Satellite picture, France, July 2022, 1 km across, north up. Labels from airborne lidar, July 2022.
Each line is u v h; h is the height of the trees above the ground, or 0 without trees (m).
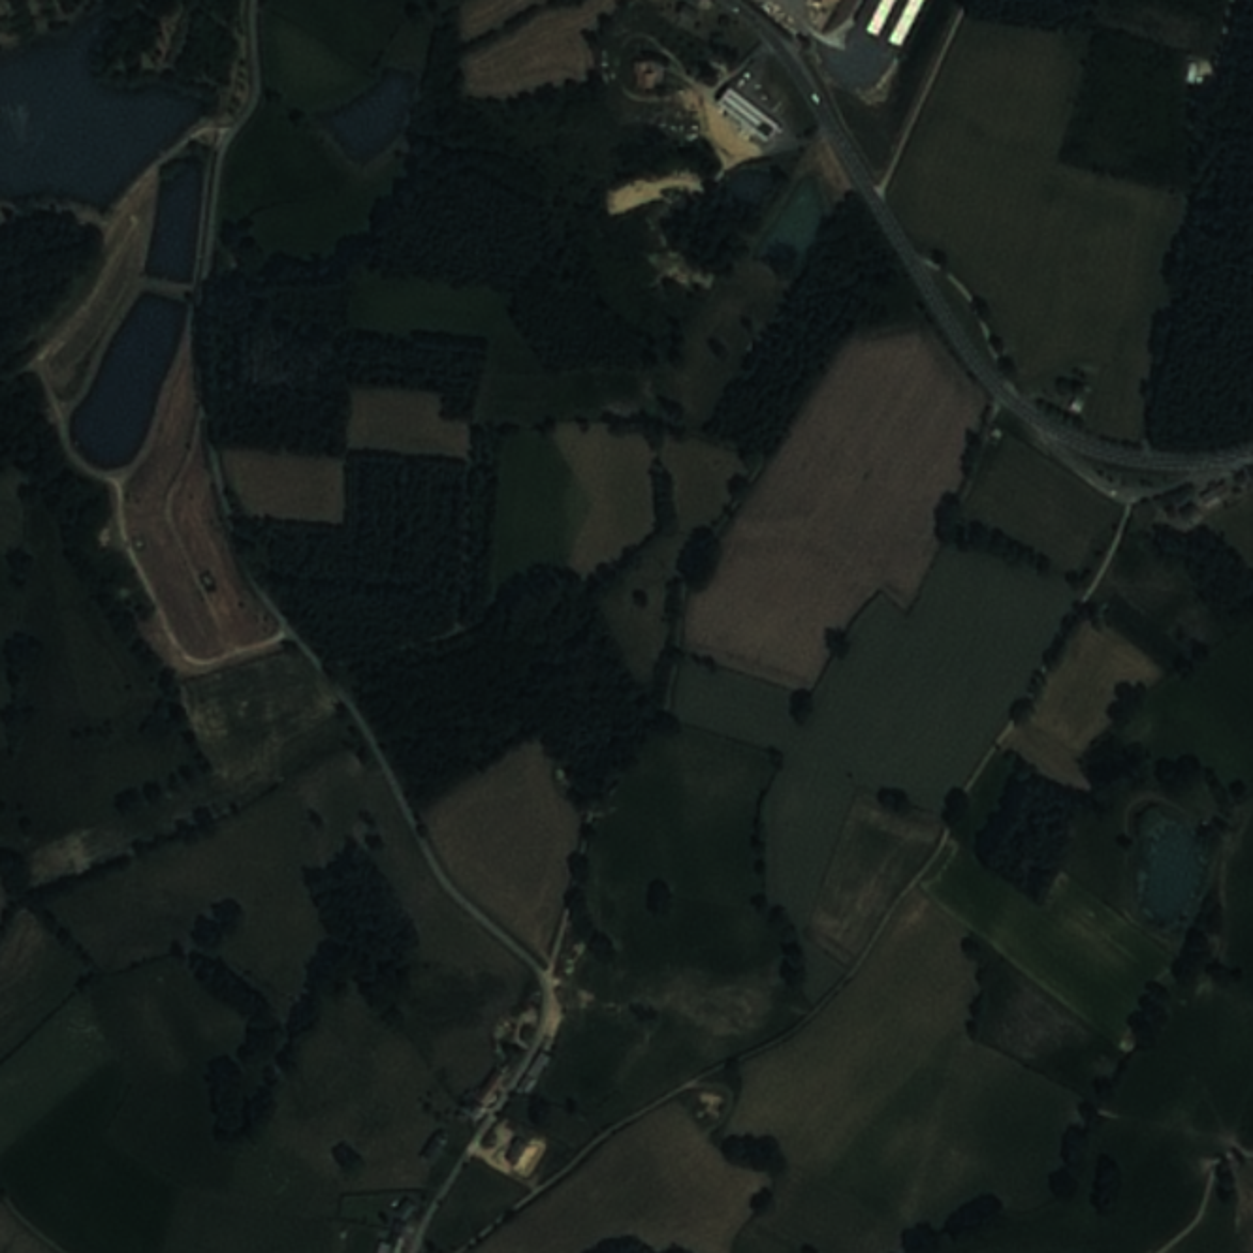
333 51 0
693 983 0
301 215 0
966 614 0
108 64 15
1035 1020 0
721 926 0
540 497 0
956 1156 0
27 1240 0
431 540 10
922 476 0
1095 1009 0
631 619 0
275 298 9
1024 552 18
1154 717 0
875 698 0
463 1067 0
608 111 0
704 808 0
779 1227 0
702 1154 0
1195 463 0
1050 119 0
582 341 13
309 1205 0
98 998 0
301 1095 0
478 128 7
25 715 13
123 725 0
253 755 0
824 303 12
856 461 0
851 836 0
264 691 0
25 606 0
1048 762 0
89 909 0
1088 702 0
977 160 0
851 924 0
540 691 12
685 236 17
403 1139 0
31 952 0
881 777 0
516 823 0
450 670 10
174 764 0
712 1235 0
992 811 0
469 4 0
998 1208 24
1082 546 0
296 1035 19
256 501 0
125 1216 0
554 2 8
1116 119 0
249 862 0
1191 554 24
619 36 0
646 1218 0
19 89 0
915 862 0
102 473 0
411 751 10
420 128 8
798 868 0
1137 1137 0
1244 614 25
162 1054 0
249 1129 21
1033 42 0
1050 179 0
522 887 0
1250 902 0
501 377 0
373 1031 0
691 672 0
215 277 8
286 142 0
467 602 16
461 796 0
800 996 0
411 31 0
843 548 0
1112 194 0
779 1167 22
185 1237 0
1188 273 20
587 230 0
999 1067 0
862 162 0
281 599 15
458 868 0
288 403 17
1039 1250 0
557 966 0
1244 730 0
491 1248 0
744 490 15
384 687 6
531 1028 0
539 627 27
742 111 0
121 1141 0
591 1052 0
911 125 0
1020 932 0
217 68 9
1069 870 0
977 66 0
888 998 0
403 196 19
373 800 0
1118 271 0
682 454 0
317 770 0
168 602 0
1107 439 8
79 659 0
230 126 0
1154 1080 0
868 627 0
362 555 17
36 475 21
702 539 17
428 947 0
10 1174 0
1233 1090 0
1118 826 0
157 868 0
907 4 0
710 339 0
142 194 0
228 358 19
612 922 0
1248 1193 0
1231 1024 0
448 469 11
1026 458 0
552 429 14
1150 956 0
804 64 0
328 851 0
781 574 0
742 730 0
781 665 0
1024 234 0
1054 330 0
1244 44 21
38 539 0
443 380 13
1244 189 20
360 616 19
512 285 18
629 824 0
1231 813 13
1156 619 0
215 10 12
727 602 0
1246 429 18
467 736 9
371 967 23
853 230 6
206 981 22
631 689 25
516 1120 0
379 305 0
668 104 0
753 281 0
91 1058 0
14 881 17
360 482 10
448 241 20
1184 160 0
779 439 16
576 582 22
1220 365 27
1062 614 0
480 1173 0
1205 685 0
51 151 0
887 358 0
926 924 0
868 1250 0
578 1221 0
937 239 0
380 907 19
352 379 20
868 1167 0
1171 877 0
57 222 11
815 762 0
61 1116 0
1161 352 17
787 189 9
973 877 0
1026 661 0
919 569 0
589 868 16
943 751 0
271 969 0
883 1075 0
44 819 0
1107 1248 0
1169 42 0
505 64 0
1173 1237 0
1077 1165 24
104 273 0
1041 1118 0
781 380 9
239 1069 21
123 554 0
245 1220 0
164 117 0
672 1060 0
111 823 0
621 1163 0
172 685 20
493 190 18
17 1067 0
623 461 0
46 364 0
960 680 0
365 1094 0
